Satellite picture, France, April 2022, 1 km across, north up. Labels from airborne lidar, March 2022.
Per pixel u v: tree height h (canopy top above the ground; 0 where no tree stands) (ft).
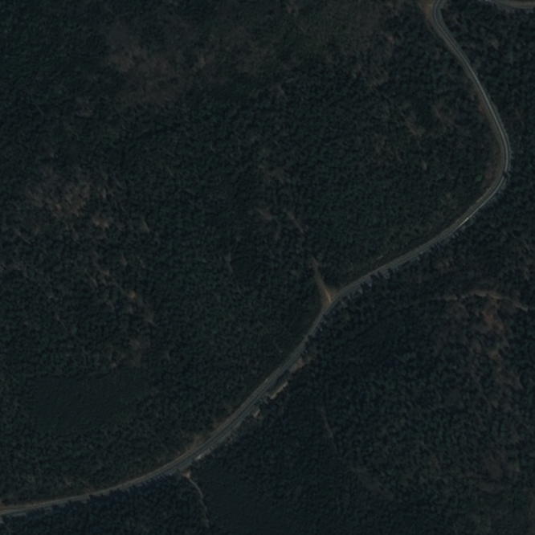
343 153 94
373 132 42
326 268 102
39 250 94
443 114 59
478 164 40
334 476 54
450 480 71
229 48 51
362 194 75
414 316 65
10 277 36
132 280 99
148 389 51
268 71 46
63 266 61
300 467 68
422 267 62
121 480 41
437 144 34
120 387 53
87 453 91
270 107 101
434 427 83
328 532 53
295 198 59
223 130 86
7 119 81
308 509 55
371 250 64
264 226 104
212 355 82
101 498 0
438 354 67
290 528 53
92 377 55
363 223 68
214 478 50
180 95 40
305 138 83
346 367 56
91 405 52
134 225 99
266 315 33
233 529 54
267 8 53
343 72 46
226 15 63
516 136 27
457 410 47
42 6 73
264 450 72
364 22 39
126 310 107
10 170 55
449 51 23
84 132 44
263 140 86
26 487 70
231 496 52
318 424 54
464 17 116
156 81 37
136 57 72
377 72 62
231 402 87
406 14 56
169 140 95
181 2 36
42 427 52
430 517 85
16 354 79
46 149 64
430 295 52
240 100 35
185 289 25
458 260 79
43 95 77
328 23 41
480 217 28
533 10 0
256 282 26
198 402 98
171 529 82
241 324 73
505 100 38
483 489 47
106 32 72
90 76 55
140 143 83
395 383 76
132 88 30
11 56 43
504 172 0
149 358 52
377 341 58
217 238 64
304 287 85
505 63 113
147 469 43
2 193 86
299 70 27
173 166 64
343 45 35
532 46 96
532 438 103
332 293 0
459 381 84
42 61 55
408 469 76
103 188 103
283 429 82
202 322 59
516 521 38
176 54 62
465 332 53
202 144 77
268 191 65
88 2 73
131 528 82
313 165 90
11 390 53
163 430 80
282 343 32
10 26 87
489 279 40
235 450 55
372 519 85
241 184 59
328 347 93
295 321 71
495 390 112
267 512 53
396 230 83
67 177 84
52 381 51
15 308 88
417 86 82
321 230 115
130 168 99
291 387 31
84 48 64
